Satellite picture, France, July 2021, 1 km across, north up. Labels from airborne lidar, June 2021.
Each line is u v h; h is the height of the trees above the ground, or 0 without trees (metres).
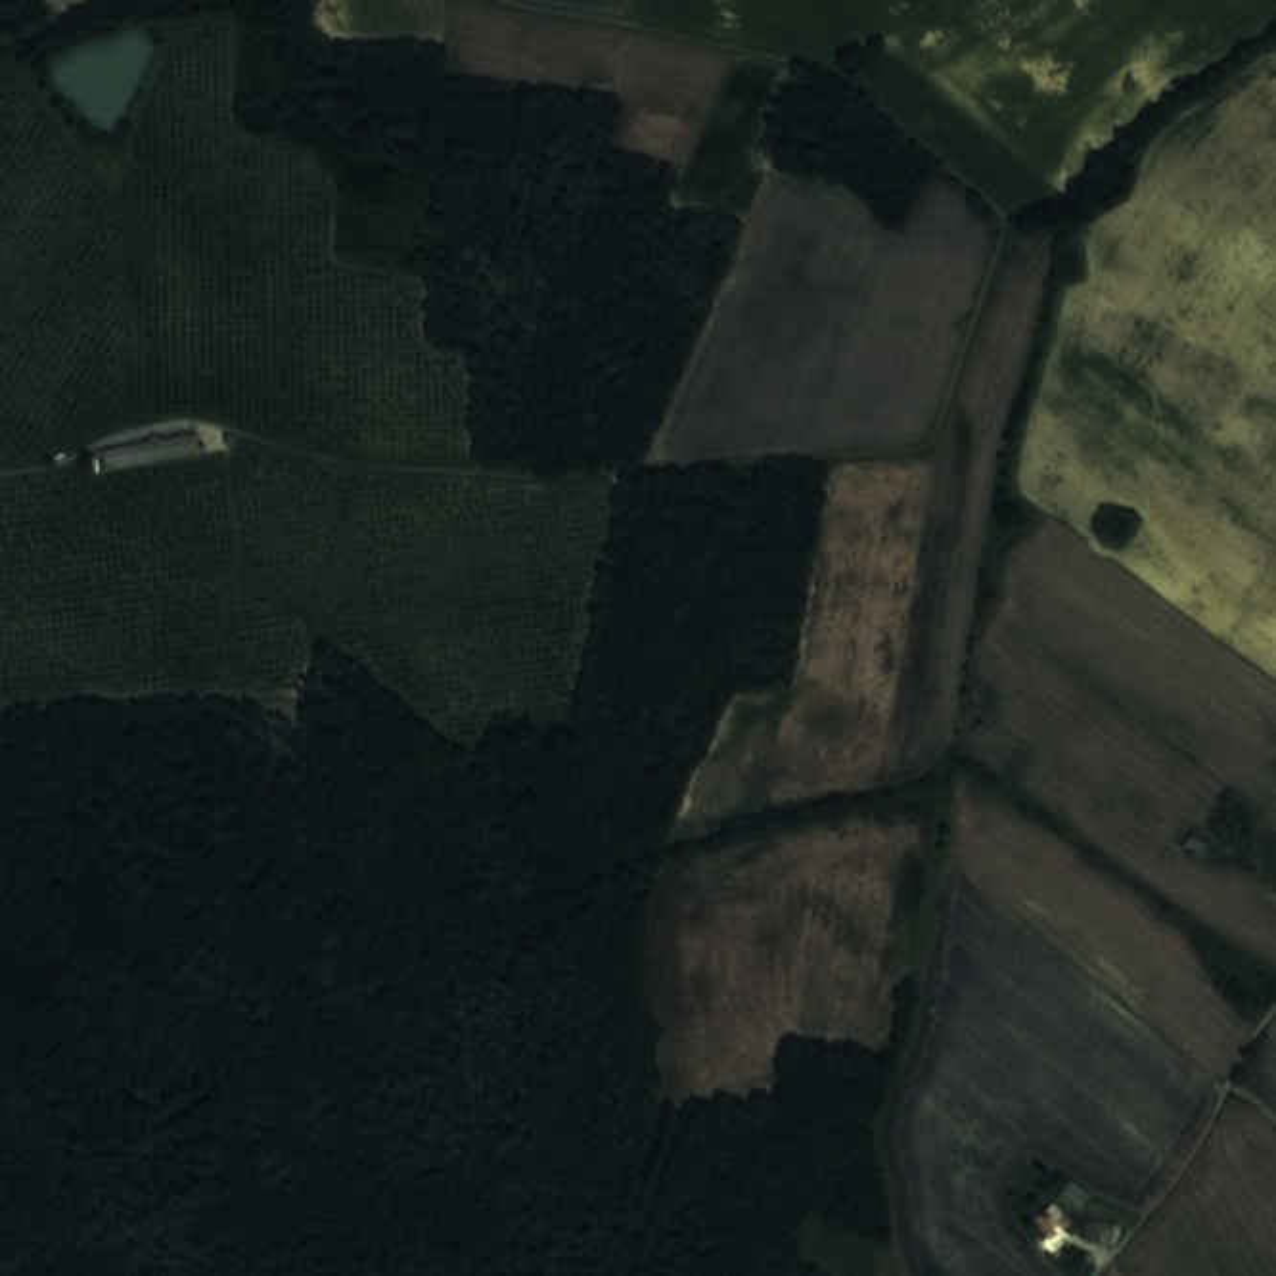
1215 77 9
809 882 0
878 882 0
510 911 24
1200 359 0
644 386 15
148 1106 9
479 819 20
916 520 0
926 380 0
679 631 16
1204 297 0
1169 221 0
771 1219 24
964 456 0
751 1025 0
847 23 0
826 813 10
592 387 9
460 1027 23
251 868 24
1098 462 0
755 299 0
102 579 5
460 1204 19
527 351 18
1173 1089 0
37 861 23
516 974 23
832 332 0
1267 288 0
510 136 11
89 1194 21
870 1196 19
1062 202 12
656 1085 13
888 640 0
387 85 9
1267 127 0
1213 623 0
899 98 0
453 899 28
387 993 26
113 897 26
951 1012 0
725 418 0
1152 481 0
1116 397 0
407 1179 20
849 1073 19
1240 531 0
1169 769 0
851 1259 0
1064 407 0
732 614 13
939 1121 0
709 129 0
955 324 0
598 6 0
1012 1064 0
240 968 19
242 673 0
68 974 25
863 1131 21
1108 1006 0
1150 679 0
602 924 26
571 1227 19
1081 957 0
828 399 0
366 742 14
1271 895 0
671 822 18
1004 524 7
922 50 0
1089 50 0
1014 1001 0
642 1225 5
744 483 12
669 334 14
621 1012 20
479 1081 19
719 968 0
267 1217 11
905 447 0
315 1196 18
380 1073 19
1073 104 0
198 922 22
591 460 14
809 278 0
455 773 22
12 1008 20
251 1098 22
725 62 0
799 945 0
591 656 15
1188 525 0
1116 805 0
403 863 21
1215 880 0
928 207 0
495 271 6
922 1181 0
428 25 0
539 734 27
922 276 0
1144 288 0
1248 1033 0
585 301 13
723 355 0
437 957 27
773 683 15
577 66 0
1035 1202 10
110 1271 9
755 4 0
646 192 15
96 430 0
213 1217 20
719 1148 23
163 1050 13
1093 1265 0
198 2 11
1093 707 0
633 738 17
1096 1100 0
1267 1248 0
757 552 18
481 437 15
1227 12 0
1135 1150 0
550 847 23
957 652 0
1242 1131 0
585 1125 16
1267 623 0
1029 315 0
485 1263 22
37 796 26
